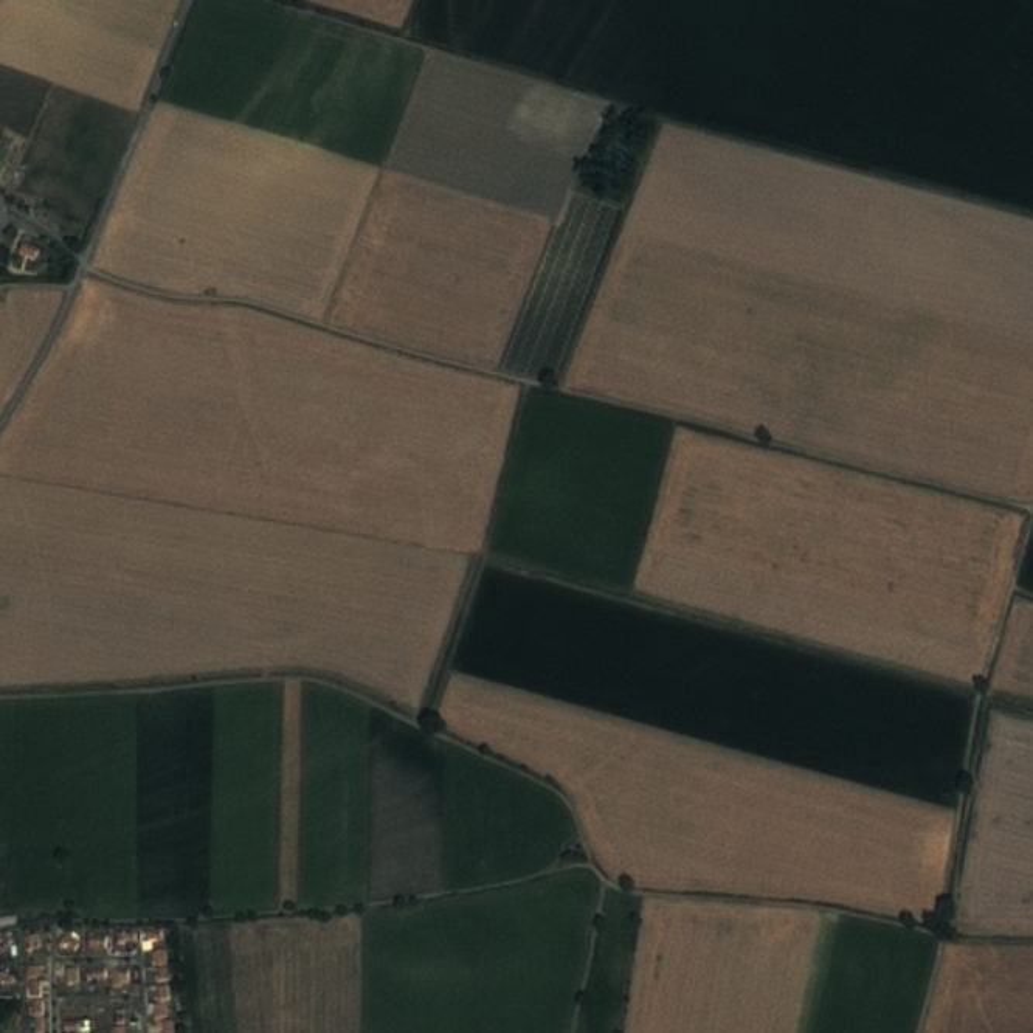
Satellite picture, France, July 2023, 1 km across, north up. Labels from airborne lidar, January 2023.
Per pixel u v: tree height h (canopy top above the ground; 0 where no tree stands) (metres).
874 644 0
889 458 0
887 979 0
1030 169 0
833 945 0
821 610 0
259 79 0
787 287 0
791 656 0
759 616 0
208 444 0
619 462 0
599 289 0
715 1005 0
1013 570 0
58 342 0
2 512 0
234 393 0
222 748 0
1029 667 0
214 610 0
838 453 0
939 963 0
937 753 0
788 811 0
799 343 0
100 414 0
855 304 0
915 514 0
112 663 0
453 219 0
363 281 0
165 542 0
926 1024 0
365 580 0
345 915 8
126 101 0
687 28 0
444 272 0
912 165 0
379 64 0
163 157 0
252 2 0
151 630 0
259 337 0
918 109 0
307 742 0
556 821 0
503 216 0
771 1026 0
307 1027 0
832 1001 0
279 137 0
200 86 0
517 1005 0
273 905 0
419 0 0
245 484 0
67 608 0
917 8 0
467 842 0
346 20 0
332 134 0
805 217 0
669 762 0
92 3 0
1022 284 0
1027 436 0
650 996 0
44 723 0
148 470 0
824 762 0
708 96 0
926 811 0
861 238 0
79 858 0
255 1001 0
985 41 0
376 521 0
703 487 0
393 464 0
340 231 0
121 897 0
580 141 0
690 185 0
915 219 0
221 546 0
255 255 0
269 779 0
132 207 0
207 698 0
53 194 0
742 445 0
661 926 0
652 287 0
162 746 0
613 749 0
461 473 0
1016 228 0
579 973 0
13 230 10
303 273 0
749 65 0
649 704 0
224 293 0
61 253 7
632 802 0
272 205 0
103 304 0
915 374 0
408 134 0
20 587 0
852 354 0
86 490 0
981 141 0
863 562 0
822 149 0
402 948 0
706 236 0
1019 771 0
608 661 0
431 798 0
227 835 0
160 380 0
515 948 0
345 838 0
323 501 0
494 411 0
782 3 0
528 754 0
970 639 0
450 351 0
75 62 0
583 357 0
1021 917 0
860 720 0
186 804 0
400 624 0
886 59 0
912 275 0
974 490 0
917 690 0
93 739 0
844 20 0
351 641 0
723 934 0
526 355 0
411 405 0
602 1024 0
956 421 0
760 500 0
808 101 0
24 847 0
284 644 0
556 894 0
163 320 0
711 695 0
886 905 0
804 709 0
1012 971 0
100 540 0
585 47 0
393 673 0
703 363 0
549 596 0
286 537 0
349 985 0
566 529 0
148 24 0
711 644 0
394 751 0
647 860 0
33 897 0
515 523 0
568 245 0
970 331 0
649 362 0
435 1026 0
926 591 0
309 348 0
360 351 0
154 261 0
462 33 0
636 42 0
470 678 0
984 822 0
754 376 0
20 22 0
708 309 0
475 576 0
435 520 0
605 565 0
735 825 0
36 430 0
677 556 0
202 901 0
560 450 0
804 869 0
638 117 11
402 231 0
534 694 0
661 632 0
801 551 0
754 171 0
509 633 0
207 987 0
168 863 0
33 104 0
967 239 0
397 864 0
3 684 0
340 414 0
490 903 0
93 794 0
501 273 0
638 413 0
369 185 0
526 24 0
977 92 0
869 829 0
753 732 0
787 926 0
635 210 0
